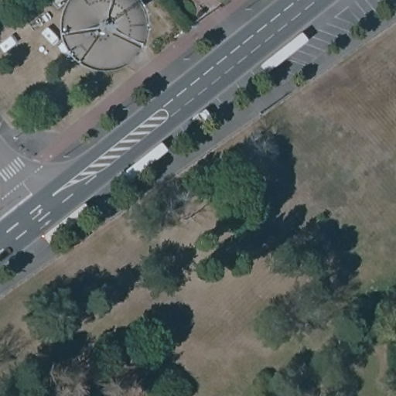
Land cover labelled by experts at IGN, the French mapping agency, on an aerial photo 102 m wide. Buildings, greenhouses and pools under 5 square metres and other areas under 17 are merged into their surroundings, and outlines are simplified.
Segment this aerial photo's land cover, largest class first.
<instances>
[{"label":"herbaceous vegetation","instance_id":"1","mask_svg":"<svg viewBox=\"0 0 396 396\"><path fill-rule=\"evenodd\" d=\"M70 43L65 39L63 0H54L53 5L46 6L43 14L28 25L22 28H5L0 32V116L5 119L9 128L15 130L14 121L9 116L15 99L22 93L31 96L36 91H42L48 96L49 101L59 107L62 119L53 127L39 131L37 135L67 130L82 114L91 110L88 105L71 108L68 102V85L80 82V88L87 90L93 101L107 90L111 84V77L102 71L90 73V68L84 65L77 67L71 57L65 56ZM53 60H57V74L63 77V82L45 84L46 67ZM139 9L147 14V43L153 48V40L156 37L172 31L169 12L161 8L158 0H141ZM331 67L323 71L317 68L316 76L306 80L302 87L292 88V93L282 102L269 108L263 116L258 114L257 118L238 128L224 141L213 145L215 153L201 159L195 167L200 175H204V167L213 166L215 159L232 152L243 158L246 164H252L260 175H265L266 192L263 203L269 204V215L266 223H261L257 230H249L240 237H234L221 221H217L215 209L210 206L209 201L204 200L200 203L196 200L198 196H193L184 189L181 176L186 175L189 170L184 169L179 173V178L175 175L169 176L166 172L159 178L155 176L152 183H148L150 189L158 190L159 218L161 226L164 227L156 237L141 240V234H133L131 227H122L124 217L116 210L113 217L107 218L101 224L88 235L85 240L73 247L67 254H53V258L46 265L29 274L20 283L19 288L0 300V379L9 376L11 371L25 360L28 364H37L40 384L46 388V396H147V390H150L169 370L175 371V374L189 382L190 391L195 393L193 396H244V390L251 387L254 377L263 368L266 373L274 374L275 368L278 367L277 360L272 356V348L263 345V340L257 339V333L251 329V322L257 317V312L268 308V311L283 312V316L288 319L289 328L292 331H299L300 306L289 291L294 286H305L311 282V277H288L272 272L278 260L271 252L282 246L285 241L291 244L297 254L299 266L305 265L309 254L319 257L323 268V288L328 289L331 299L345 302L343 311L346 314L356 308L357 319H365L368 326H373L377 303L396 302V286H393L391 291L364 294L360 285L374 283L381 277L385 260L390 263L396 261V14L391 20H381L379 28L368 32L365 39H350L346 48L334 53L331 56ZM204 232L220 235L221 244L213 254L210 251L196 252L195 247H192L196 238ZM150 249H155L156 265L166 266L162 275L173 278L176 288L179 289L175 294L161 292L159 297H152L150 289L144 288V283L139 282L141 272L138 265L150 255ZM240 252H246L249 258H254V266L251 274L237 277L230 269L234 268L237 254ZM210 255L226 268L224 277L218 282L201 280L190 268L193 258L201 263ZM45 285L48 286V300L53 299L54 292L59 289H70V300L76 303L79 314L70 323L73 339L43 345L39 340L31 342L28 339L31 333L28 323L23 320V316L28 314L25 305L29 300V294H34ZM96 289L105 292V299L111 306V311L101 319H94L93 312L88 311V297ZM142 316L147 319H159L164 328L170 329L173 340L178 343L175 353L167 354L166 359L162 360V364L156 370L138 367L135 370L124 371L111 379H104L97 370V356L91 351V339L101 334L107 339L118 336L125 339L130 329L128 325ZM370 354L362 351L346 357L342 362V387L326 388L320 387L319 374L312 368V351L302 350L289 362L295 373L292 384L299 385L302 390L297 396H359V391L364 385L362 376L365 374Z\"/></svg>","mask_w":396,"mask_h":396},{"label":"impervious surface","instance_id":"2","mask_svg":"<svg viewBox=\"0 0 396 396\"><path fill-rule=\"evenodd\" d=\"M381 0H184V5L196 15L198 23L193 25L190 31H179L176 39L164 45L161 53H155L153 48L147 43H142L139 54L142 70L136 71L133 67H127L116 71L111 77V84L107 90L93 101L88 105L91 110L82 114L67 130L37 135L29 138L15 130L9 128L5 119L0 116V300L19 288L20 283L29 274L46 265L53 258V254L48 241H51L60 226L67 227L70 246L73 247L85 240L88 235L74 220L85 207H96L101 210L97 221L101 224L107 218L113 217L116 210L108 203V183L114 176H122L124 183L135 187L138 193L150 189L148 183H152L155 176L159 178L166 172L169 176L175 175L179 178V173L184 169L189 170L195 167L201 159L215 153L213 145L224 141L238 128L257 118L258 114L263 116L269 108L282 102L292 93V88L302 87L306 80L316 76L317 68L323 71L331 67V56L334 53L346 48L350 39H365L368 32L379 28L381 20L374 15V9ZM255 74L271 79V93H258L252 82V76ZM141 85L152 91V102L144 108L136 107L131 102V94ZM244 87L249 102L244 110L237 111L234 108L235 91ZM104 113L118 122L116 130L110 135L97 130L99 119ZM181 131H187L195 152L178 158L167 153V147L172 145L173 139Z\"/></svg>","mask_w":396,"mask_h":396},{"label":"deciduous trees","instance_id":"3","mask_svg":"<svg viewBox=\"0 0 396 396\"><path fill-rule=\"evenodd\" d=\"M54 0H0V32L5 28H22L28 25L43 14L46 6L53 5ZM396 14V0H381L374 9V15L381 20H391ZM57 60H53L46 67L45 84L63 82V77L57 74ZM252 82L258 93H271V79L255 74L252 76ZM68 102L71 108L88 105L93 101L87 90L80 88V82L68 85ZM131 102L136 107L144 108L152 102V91L141 85L131 94ZM249 102L244 87L235 91L234 108L237 111L244 110ZM9 116L14 121L15 130L29 138L37 135L39 131L53 127L62 119L59 107L49 101L48 96L42 91H36L31 96L22 93L15 99ZM118 122L104 113L99 119L97 130L110 135L116 130ZM195 152L187 131H181L173 139L172 145L167 147V153L178 158ZM184 189L193 196H198L196 200L200 203L204 200L209 201L210 206L215 209L217 221H221L234 237H240L249 230H257L261 223H266L269 215V204L263 203L266 192L265 175H260L252 164H246L243 158L232 152L215 159L213 166L204 167V175H200L195 167L189 170L186 175L181 176ZM108 203L124 217L122 227H131L133 234H141V240L156 237L164 227L161 226L159 218L158 190L150 189L138 193L135 187L124 183L122 176H114L108 183ZM101 210L96 207H85L74 220L88 235L101 224L97 221ZM53 254H67L73 247L70 246L67 227L60 226L51 241H48ZM221 244L220 235L204 232L196 238L192 247H195L196 252L210 251L213 254ZM278 260L272 272L288 277H311V282L305 286H294L289 291L300 306L299 331H292L289 328L288 319L283 316V312L268 311V308L257 312V317L251 322V329L257 333V339L263 340V345L272 348V356L277 360L278 367L275 368L274 374L266 373L263 368L254 377L251 387L244 390V396H297L302 390L299 385L292 384L295 373L289 362L302 350L312 351V368L319 374L320 387L326 388L342 387V362L346 357L362 351L370 354L365 374L362 376L364 385L359 391V396H396V302L377 303L373 326H368L365 319H357L356 308L346 314L343 311L345 302L331 299L328 289L323 288V268L319 257L309 254L305 265L299 266L297 254L291 244L285 241L282 246L271 252ZM150 255L138 265L141 272L139 282L144 283V288L150 289L152 297H159L161 292L175 294L179 289L176 288L173 278L162 275L166 266L156 265L155 249H150ZM254 266V258H249L246 252H240L237 254L234 268L230 269L237 277L251 274ZM190 268L201 280L218 282L224 277L226 268L210 255L201 263L193 258ZM393 286H396V261L390 263L385 260L381 277L374 283L360 285L364 294L391 291ZM48 286L45 285L34 294H29V300L25 305L28 314L23 316V320L28 323L31 333L28 339L31 342L39 340L43 345L73 339L70 323L79 314L76 303L70 300V289H59L54 292L53 299L48 300ZM88 311L93 312L94 319H101L111 311V306L105 299V292L96 289L88 297ZM130 329L125 339L118 336L107 339L101 334L91 339V351L97 356V370L104 379H111L124 371L135 370L138 367L156 370L162 364V360L166 359L167 354L175 353L178 343L173 340L170 329L164 328L159 319H147L142 316L128 325ZM0 396H46V388L40 384L37 364H28L25 360L11 371L9 376L0 379ZM147 396H193L195 393L190 391L189 382L175 374V371L169 370L150 390H147Z\"/></svg>","mask_w":396,"mask_h":396},{"label":"building","instance_id":"4","mask_svg":"<svg viewBox=\"0 0 396 396\"><path fill-rule=\"evenodd\" d=\"M141 0H63L65 39L70 43L65 56L71 57L77 67L84 65L90 68V73L102 71L111 77L116 71L127 67H133L136 71L142 70L139 54L142 43H147V14L139 9Z\"/></svg>","mask_w":396,"mask_h":396},{"label":"brushwood","instance_id":"5","mask_svg":"<svg viewBox=\"0 0 396 396\"><path fill-rule=\"evenodd\" d=\"M161 8L169 12L172 31L156 37L153 40V48L155 53H161L164 45L176 39L179 31H190L193 25L198 23L196 15L184 5V0H158Z\"/></svg>","mask_w":396,"mask_h":396}]
</instances>
